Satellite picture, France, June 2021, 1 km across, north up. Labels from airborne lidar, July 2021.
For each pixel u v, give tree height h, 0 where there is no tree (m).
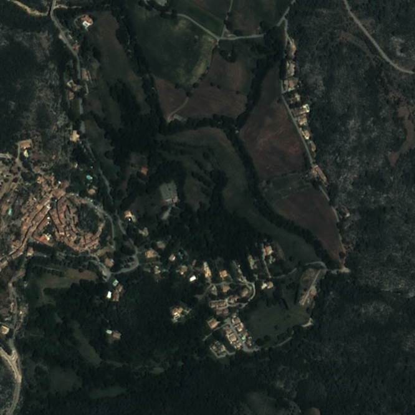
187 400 14
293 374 8
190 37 0
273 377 12
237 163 0
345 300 6
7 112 7
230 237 18
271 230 0
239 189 0
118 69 0
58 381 0
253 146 0
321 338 9
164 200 0
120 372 17
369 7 18
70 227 0
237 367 14
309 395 16
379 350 8
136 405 17
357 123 0
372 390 9
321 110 15
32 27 12
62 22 10
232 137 13
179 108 0
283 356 16
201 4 0
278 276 10
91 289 18
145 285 11
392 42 0
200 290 14
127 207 15
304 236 13
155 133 12
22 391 9
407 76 0
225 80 0
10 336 17
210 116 0
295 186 0
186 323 6
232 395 16
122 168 9
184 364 7
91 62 12
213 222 13
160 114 15
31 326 12
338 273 12
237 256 18
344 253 10
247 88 0
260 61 16
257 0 0
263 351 13
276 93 0
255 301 7
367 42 7
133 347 8
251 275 8
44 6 6
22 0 9
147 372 10
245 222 20
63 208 0
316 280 0
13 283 10
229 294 10
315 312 14
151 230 7
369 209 8
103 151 0
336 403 8
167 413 13
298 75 15
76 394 12
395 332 6
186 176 19
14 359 0
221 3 0
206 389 17
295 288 13
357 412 14
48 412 17
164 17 9
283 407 9
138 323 11
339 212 7
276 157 0
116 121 0
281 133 0
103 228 7
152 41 0
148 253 0
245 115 17
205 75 7
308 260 0
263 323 0
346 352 7
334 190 10
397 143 6
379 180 7
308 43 12
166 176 17
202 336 8
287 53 9
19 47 8
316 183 17
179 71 0
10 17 8
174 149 6
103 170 13
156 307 13
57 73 7
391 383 7
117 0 15
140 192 10
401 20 10
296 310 0
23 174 10
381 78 6
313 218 0
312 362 13
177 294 7
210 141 0
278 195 0
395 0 8
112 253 12
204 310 10
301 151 0
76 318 9
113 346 8
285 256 0
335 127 6
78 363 10
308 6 13
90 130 0
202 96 0
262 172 0
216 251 15
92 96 0
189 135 0
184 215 22
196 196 0
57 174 7
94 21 11
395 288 8
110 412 15
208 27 0
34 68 6
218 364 18
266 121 0
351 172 0
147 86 19
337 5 7
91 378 11
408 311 8
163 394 19
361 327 7
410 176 16
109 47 0
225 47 0
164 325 12
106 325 14
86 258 14
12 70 8
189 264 9
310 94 11
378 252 7
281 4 0
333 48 11
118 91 15
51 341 9
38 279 0
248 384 13
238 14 0
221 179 19
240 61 0
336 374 15
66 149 10
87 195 8
